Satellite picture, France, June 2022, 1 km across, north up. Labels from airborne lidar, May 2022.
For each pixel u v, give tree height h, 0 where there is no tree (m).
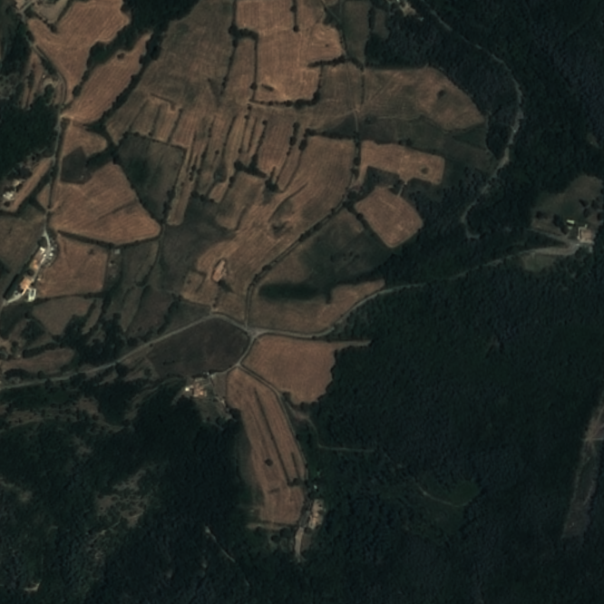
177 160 0
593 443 0
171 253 0
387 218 0
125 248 6
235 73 0
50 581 12
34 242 0
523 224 15
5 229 0
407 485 12
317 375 0
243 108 0
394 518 17
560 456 17
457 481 18
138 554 14
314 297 0
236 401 0
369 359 20
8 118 15
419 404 19
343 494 13
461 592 16
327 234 0
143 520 8
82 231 0
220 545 9
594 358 14
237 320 0
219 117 0
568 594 8
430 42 16
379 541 20
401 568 11
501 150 15
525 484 22
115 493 9
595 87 20
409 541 15
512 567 12
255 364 0
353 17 0
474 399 21
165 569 8
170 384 6
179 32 0
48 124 16
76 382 14
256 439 0
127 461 13
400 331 10
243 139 0
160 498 8
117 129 0
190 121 0
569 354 13
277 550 10
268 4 0
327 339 7
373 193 0
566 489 14
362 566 12
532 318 18
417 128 0
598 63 14
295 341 0
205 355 0
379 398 18
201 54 0
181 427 13
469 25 25
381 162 0
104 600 10
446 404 16
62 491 11
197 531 14
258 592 15
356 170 6
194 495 13
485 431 16
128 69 0
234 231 0
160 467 7
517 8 8
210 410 0
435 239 13
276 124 0
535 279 13
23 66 11
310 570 11
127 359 0
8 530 7
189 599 11
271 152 0
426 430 19
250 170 8
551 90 18
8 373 8
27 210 0
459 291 11
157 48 8
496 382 13
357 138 7
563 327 15
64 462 10
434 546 22
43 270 0
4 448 9
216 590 13
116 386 10
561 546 12
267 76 0
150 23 11
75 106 0
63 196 0
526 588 13
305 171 0
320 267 0
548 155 9
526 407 18
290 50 0
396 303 11
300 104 10
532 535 15
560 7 9
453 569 18
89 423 9
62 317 0
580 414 20
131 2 12
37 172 0
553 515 11
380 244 0
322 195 0
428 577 17
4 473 9
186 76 0
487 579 17
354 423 17
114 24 0
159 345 0
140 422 9
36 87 0
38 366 0
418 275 11
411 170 0
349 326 8
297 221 0
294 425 0
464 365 14
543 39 21
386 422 16
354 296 0
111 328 7
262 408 0
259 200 0
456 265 11
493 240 16
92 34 0
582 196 0
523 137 10
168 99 0
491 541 22
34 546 8
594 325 14
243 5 0
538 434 19
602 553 9
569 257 10
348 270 0
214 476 17
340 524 13
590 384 17
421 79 0
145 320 0
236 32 13
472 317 13
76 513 11
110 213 0
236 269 0
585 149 22
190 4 9
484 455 25
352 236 0
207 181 0
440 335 19
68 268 0
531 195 23
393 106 0
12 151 13
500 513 18
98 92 0
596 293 15
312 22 0
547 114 13
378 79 0
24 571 8
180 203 0
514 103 14
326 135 8
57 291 0
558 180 22
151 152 0
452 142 0
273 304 0
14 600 12
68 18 0
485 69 10
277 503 0
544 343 18
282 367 0
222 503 16
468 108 0
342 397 12
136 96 0
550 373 19
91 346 6
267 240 0
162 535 9
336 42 0
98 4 0
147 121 0
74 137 0
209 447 16
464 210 14
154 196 0
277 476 0
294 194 0
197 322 0
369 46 11
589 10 6
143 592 10
